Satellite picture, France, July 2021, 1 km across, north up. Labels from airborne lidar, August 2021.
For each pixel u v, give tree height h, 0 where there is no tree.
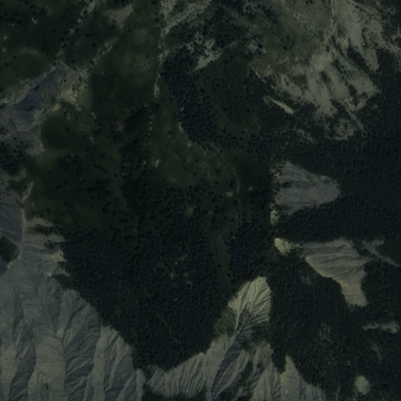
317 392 0
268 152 12
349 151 17
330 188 0
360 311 17
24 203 0
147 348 12
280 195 0
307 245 0
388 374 19
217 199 11
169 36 0
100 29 0
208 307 16
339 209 16
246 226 11
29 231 0
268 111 16
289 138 10
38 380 0
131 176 16
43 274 0
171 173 0
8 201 0
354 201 18
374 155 21
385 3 6
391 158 20
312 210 11
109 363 0
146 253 7
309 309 14
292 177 0
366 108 7
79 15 0
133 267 13
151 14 0
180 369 0
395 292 14
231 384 0
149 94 0
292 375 0
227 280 0
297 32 0
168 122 0
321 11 0
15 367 0
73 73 0
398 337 16
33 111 0
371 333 11
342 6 0
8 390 0
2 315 0
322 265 0
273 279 12
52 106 0
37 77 0
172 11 0
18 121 0
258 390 0
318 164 17
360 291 0
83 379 0
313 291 14
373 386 8
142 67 0
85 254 13
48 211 8
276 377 0
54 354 0
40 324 0
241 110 0
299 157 13
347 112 10
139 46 0
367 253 11
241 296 0
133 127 12
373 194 14
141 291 7
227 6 5
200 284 17
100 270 13
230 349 0
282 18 0
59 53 0
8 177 0
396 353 14
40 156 0
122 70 0
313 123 9
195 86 15
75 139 0
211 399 0
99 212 0
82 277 11
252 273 11
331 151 17
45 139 0
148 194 9
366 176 20
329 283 13
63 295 0
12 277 0
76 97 0
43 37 0
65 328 0
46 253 0
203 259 8
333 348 12
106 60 0
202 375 0
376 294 14
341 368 11
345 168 10
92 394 0
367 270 8
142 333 13
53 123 0
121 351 0
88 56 0
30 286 0
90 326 0
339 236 16
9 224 0
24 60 0
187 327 12
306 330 15
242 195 0
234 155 0
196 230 8
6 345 0
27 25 0
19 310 0
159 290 7
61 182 0
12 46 0
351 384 7
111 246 13
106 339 0
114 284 14
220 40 7
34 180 0
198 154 0
